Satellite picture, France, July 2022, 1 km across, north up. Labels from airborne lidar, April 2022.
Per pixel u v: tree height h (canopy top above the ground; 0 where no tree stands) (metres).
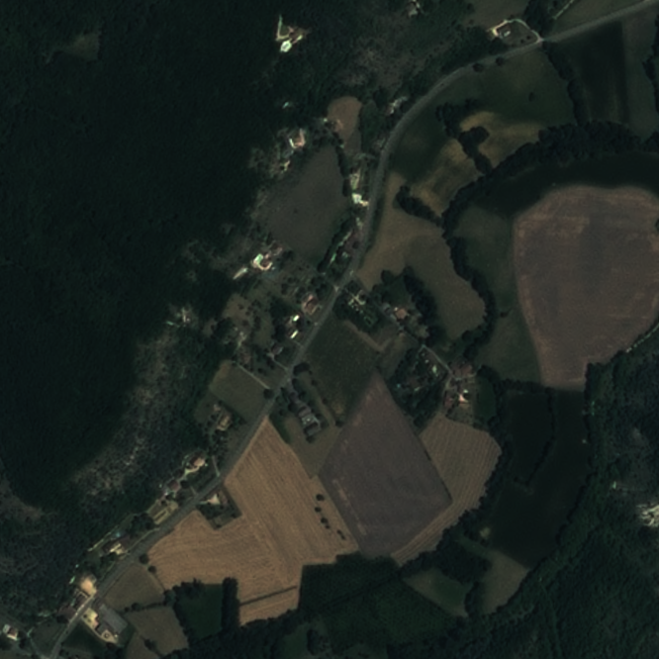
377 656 0
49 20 20
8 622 0
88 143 13
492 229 0
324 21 20
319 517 0
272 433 0
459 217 16
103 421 16
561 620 6
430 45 6
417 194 0
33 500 9
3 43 12
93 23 13
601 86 0
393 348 0
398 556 0
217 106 21
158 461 11
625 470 7
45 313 13
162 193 18
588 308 0
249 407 0
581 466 0
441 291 0
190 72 18
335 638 0
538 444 0
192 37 15
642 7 0
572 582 16
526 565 0
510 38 0
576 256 0
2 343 15
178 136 17
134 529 7
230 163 16
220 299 19
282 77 11
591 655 8
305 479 0
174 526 0
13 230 10
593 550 15
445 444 0
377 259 0
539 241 0
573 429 0
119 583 0
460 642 33
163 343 0
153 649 24
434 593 0
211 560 0
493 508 11
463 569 23
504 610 16
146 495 17
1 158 14
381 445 0
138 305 14
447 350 0
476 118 0
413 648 27
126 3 19
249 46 19
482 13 0
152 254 17
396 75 0
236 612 11
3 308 13
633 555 0
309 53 14
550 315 0
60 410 12
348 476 0
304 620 10
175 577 0
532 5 10
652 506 0
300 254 0
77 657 6
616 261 0
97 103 14
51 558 14
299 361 0
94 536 8
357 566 0
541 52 0
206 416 0
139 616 0
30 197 13
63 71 17
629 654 9
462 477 0
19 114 17
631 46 0
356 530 0
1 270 12
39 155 13
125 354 15
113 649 14
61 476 9
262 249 0
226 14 20
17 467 12
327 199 0
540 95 0
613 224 0
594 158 20
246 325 7
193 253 10
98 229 19
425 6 8
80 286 17
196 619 0
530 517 0
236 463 0
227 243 8
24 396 18
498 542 0
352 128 0
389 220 0
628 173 0
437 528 0
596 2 0
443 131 0
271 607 0
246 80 16
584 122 17
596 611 7
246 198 8
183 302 10
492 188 18
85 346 20
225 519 0
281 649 19
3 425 11
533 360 0
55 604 7
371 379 0
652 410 9
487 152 0
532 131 0
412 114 0
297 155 11
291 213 0
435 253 0
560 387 0
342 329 0
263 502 0
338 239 13
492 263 0
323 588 0
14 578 8
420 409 8
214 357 12
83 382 21
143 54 18
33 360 14
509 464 11
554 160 22
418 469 0
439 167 0
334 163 0
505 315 8
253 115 11
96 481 7
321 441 0
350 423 0
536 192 0
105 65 15
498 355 0
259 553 0
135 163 15
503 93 0
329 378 0
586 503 14
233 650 27
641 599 11
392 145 0
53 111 15
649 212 0
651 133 0
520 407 0
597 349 0
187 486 13
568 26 0
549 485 0
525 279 0
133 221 19
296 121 19
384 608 0
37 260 16
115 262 16
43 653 0
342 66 8
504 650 11
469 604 15
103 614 0
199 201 18
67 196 14
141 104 18
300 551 0
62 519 8
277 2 20
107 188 17
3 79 14
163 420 10
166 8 15
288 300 0
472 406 0
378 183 0
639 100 0
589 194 0
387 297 15
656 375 8
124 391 9
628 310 0
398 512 0
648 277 0
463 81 0
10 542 8
